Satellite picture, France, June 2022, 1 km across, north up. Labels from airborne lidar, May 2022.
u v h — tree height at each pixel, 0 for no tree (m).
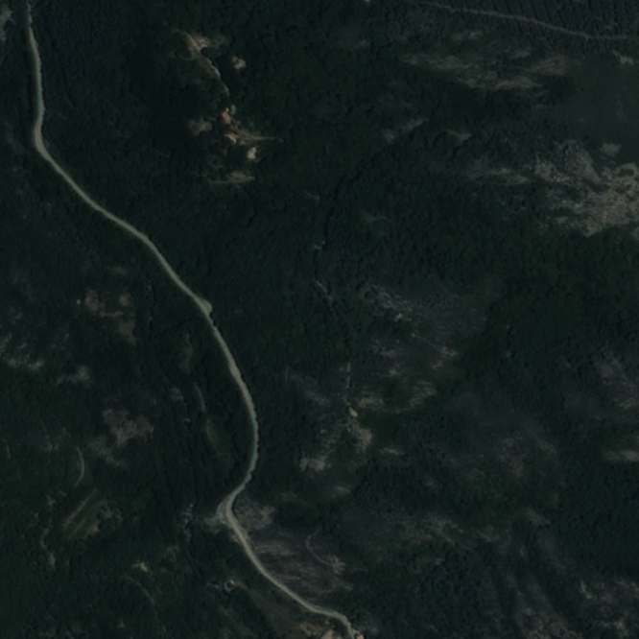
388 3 23
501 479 6
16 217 15
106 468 10
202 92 10
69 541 12
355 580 7
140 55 23
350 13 11
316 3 16
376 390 7
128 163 12
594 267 10
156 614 6
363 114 18
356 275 9
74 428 9
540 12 17
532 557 7
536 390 7
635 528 22
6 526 20
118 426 7
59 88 14
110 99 13
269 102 16
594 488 19
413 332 7
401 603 13
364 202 31
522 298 11
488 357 15
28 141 8
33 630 17
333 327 14
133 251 20
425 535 6
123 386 11
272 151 9
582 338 13
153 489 10
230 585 12
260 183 17
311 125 18
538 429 0
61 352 11
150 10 16
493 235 7
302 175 15
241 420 17
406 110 6
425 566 6
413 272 7
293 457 9
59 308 14
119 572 10
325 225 12
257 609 8
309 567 0
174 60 8
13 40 11
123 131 13
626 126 0
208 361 21
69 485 12
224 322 16
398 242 11
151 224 17
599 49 11
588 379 9
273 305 14
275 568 0
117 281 6
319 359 15
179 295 17
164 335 19
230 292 13
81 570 13
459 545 17
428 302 8
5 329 11
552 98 8
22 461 11
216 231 18
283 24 15
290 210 21
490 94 12
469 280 10
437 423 6
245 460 9
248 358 9
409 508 6
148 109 22
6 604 15
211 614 13
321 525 7
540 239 8
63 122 14
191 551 8
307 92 10
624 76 0
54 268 15
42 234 11
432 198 15
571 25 15
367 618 0
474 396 0
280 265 14
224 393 16
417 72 20
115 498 11
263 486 9
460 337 10
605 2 17
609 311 7
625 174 0
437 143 11
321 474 0
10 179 18
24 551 16
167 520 10
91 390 14
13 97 7
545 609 0
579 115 0
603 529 21
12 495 11
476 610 10
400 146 16
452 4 15
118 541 21
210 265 18
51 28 28
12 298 10
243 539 0
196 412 11
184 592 11
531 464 6
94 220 13
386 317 11
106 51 30
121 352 9
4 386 14
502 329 15
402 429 17
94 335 17
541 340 21
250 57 18
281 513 7
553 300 18
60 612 14
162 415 14
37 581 20
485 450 0
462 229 8
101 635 20
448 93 19
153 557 11
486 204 13
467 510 7
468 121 12
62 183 14
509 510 7
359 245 19
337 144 18
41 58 10
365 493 17
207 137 10
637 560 17
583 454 12
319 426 10
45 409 14
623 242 8
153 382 10
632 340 15
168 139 24
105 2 29
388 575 13
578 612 8
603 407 7
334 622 10
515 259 8
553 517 12
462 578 14
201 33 10
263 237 18
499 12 17
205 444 12
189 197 12
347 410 8
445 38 9
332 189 14
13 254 18
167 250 16
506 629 6
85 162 17
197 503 12
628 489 25
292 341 15
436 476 6
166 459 20
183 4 9
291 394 10
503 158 7
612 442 10
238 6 19
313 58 15
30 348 8
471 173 0
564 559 8
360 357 6
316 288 16
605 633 15
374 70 16
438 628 8
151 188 11
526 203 13
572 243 10
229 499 0
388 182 9
